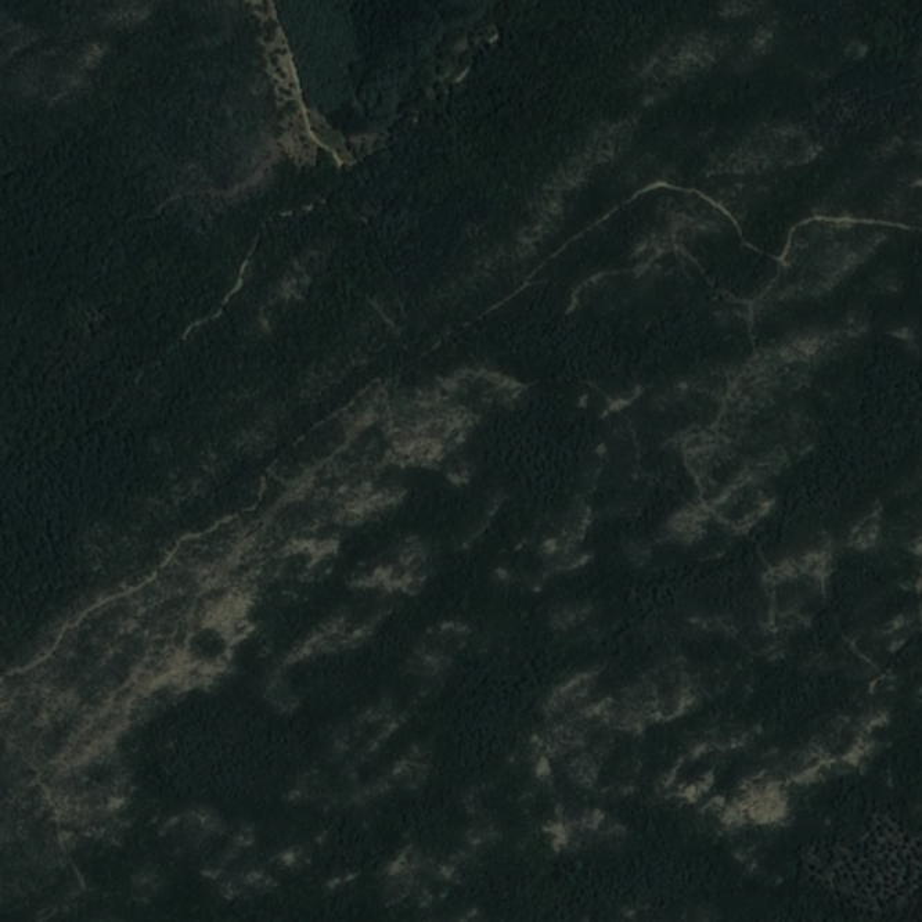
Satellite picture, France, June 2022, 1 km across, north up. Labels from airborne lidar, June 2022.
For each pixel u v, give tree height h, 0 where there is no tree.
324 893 7
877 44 9
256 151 0
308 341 6
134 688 0
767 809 0
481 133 17
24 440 15
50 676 0
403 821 8
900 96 11
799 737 8
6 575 9
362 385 6
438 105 11
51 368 13
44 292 10
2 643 5
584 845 6
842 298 8
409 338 6
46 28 6
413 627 11
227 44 7
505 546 5
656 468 8
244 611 0
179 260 11
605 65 8
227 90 7
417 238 10
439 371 6
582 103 10
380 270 8
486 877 6
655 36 6
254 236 8
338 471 0
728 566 13
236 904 10
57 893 5
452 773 10
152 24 9
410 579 0
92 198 8
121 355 13
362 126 15
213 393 6
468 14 25
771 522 5
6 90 6
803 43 5
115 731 0
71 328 13
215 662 0
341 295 6
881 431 15
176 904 8
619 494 7
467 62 11
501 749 12
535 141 6
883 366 14
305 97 9
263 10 6
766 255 7
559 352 14
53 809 0
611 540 7
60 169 11
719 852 6
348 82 19
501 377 0
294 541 0
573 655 6
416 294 7
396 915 6
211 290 9
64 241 10
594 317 6
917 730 10
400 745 6
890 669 8
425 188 11
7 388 11
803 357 0
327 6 16
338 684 9
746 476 0
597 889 12
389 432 0
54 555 8
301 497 0
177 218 7
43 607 11
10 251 14
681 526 0
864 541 0
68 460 14
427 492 11
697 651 6
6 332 8
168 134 7
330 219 9
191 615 0
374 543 9
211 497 8
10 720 0
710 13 6
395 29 27
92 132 9
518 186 7
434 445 0
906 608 11
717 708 10
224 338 6
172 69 10
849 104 8
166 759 10
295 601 7
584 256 6
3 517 15
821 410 5
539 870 10
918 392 17
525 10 8
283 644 6
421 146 8
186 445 7
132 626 0
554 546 0
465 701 11
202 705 6
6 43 6
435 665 0
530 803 5
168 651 0
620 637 17
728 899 6
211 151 8
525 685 20
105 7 7
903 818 6
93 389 17
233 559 0
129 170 6
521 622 12
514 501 7
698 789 0
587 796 6
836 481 13
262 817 5
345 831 12
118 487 13
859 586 10
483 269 6
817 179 6
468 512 10
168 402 10
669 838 9
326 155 11
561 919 12
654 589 13
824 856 7
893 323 6
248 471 15
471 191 8
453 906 6
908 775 5
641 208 7
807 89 6
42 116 7
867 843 6
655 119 5
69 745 0
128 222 10
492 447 6
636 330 11
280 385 6
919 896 15
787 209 9
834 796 7
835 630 13
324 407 11
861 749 0
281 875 6
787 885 6
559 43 7
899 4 5
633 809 10
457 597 12
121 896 5
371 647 6
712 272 9
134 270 9
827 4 10
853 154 6
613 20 8
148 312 13
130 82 11
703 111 7
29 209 11
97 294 8
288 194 7
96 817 0
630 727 0
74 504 16
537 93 12
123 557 6
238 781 14
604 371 10
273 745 12
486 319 9
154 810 5
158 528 9
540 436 15
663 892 14
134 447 7
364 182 12
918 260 6
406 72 22
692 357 5
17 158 14
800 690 12
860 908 15
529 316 12
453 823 10
